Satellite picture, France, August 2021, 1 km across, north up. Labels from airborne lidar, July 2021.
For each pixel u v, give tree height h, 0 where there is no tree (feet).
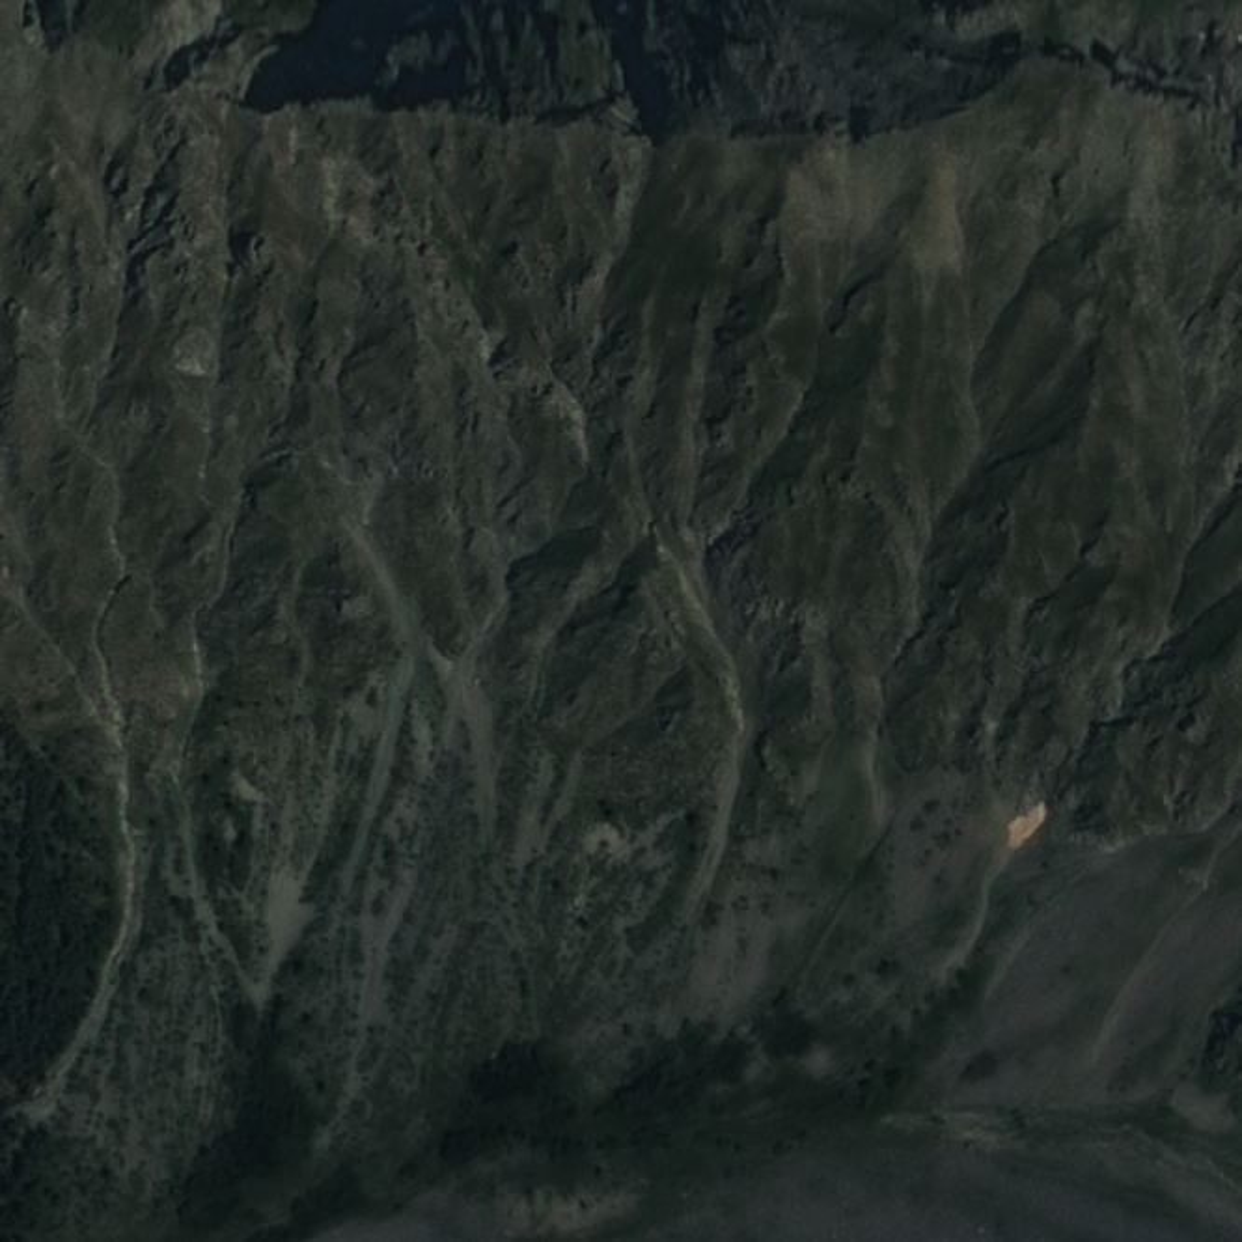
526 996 33
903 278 0
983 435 0
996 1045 0
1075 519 0
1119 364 0
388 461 0
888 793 0
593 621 0
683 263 0
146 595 0
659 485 0
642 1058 25
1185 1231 0
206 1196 37
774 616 0
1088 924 0
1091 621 0
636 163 0
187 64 0
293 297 0
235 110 0
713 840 0
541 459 0
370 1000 0
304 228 0
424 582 0
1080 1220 0
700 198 0
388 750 0
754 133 0
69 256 0
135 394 0
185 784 0
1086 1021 0
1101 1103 0
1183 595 0
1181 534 0
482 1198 0
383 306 0
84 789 57
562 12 0
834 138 0
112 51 0
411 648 0
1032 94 0
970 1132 0
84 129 0
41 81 0
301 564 0
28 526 0
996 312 0
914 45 0
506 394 0
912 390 0
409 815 0
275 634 0
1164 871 0
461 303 0
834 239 0
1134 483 0
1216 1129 0
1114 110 0
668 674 0
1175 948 0
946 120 0
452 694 0
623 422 0
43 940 65
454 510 0
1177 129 0
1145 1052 0
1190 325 0
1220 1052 0
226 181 0
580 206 0
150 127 0
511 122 0
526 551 0
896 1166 0
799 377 0
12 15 0
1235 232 0
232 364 0
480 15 0
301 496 0
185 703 0
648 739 0
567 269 0
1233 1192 0
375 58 0
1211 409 0
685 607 0
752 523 0
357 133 0
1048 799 0
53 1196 33
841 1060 0
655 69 0
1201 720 0
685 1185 0
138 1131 0
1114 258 0
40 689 0
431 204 0
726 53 0
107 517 0
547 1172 0
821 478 0
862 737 0
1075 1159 0
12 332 0
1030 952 0
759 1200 0
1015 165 0
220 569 0
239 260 0
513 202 0
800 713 0
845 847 0
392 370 0
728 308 0
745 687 0
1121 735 0
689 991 0
